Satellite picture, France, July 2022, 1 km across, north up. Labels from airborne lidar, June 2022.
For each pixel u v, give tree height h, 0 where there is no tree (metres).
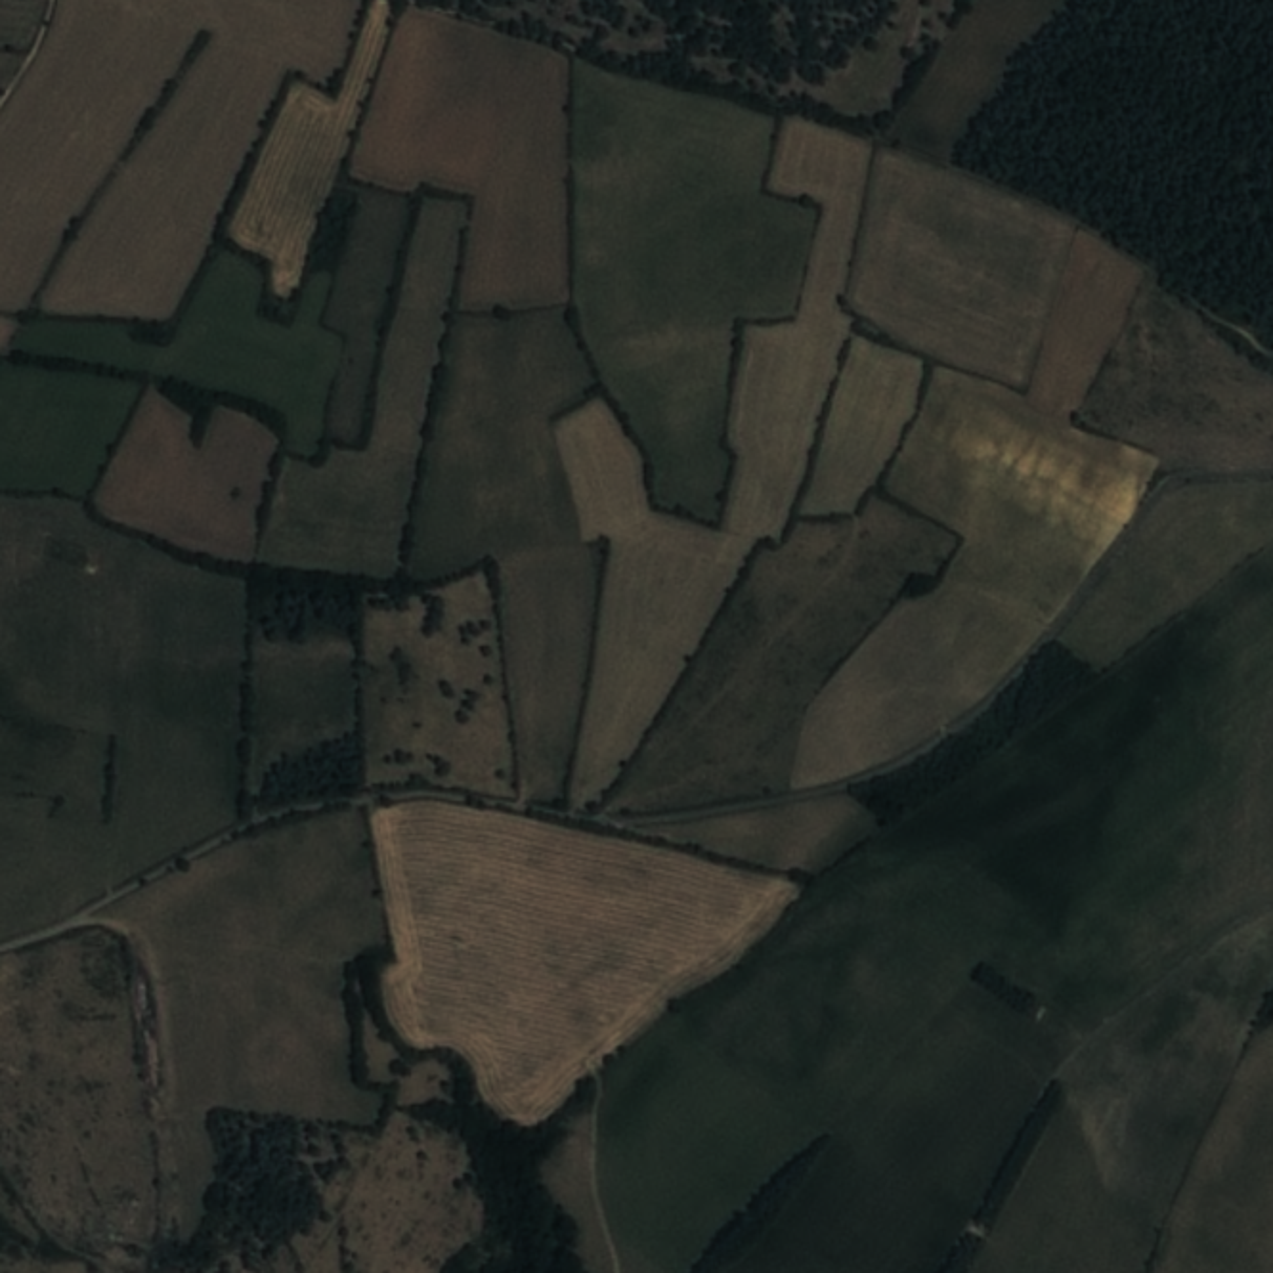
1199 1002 0
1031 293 0
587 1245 0
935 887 0
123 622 0
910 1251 0
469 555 0
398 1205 0
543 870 0
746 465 0
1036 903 0
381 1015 11
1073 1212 0
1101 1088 0
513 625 0
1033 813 0
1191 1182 0
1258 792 0
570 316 10
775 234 0
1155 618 0
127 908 0
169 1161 0
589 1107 0
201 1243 7
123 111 0
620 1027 0
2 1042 0
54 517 0
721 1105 0
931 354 0
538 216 0
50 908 0
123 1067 0
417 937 0
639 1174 0
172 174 0
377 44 0
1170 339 0
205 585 0
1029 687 13
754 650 0
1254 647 0
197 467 0
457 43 0
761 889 0
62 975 0
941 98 0
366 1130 7
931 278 0
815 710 0
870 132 10
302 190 0
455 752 0
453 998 0
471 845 0
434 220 0
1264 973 0
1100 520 0
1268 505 0
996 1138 0
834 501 0
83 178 0
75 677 0
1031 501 0
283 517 0
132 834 0
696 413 0
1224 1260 0
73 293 0
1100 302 0
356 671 9
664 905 0
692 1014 0
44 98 0
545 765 0
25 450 0
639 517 0
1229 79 16
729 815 0
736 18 16
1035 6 0
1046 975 0
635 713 0
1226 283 21
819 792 0
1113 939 0
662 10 16
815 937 0
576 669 0
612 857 0
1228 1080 0
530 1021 0
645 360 0
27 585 0
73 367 7
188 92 0
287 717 0
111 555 0
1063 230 0
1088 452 0
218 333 0
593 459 0
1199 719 0
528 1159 22
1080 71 21
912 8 0
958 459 0
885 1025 0
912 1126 0
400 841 0
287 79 0
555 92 0
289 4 0
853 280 0
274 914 0
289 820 8
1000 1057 0
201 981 0
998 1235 0
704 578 0
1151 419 0
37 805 0
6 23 0
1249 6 22
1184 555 0
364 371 0
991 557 0
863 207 0
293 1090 0
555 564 0
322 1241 0
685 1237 0
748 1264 0
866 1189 0
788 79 13
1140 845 0
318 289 0
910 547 0
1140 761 0
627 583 0
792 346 0
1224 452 0
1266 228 13
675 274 0
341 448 9
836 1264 0
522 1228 21
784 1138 0
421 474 9
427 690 0
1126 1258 0
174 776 0
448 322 10
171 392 8
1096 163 22
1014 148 17
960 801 0
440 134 0
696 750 0
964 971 0
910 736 0
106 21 0
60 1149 0
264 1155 20
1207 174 21
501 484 0
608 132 0
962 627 0
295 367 0
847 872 0
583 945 0
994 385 0
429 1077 0
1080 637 0
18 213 0
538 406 0
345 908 0
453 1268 12
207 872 0
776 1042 0
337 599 11
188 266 0
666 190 0
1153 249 22
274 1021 0
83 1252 0
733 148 0
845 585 0
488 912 0
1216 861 0
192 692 0
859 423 0
